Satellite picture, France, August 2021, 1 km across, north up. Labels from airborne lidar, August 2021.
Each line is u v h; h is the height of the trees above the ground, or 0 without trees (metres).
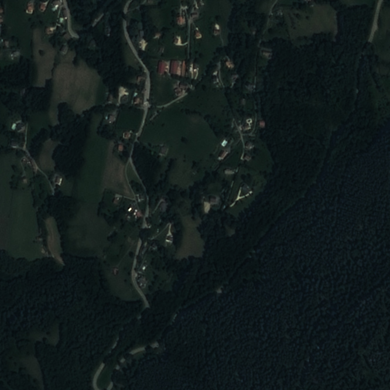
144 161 24
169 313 10
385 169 24
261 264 12
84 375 12
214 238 22
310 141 24
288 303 30
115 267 0
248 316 29
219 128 22
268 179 8
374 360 30
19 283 28
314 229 29
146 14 20
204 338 28
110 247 0
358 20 16
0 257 16
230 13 0
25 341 15
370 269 25
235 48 18
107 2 34
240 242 31
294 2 0
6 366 21
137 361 19
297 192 25
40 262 17
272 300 30
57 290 35
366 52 27
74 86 0
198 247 0
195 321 30
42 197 15
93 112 9
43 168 0
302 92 24
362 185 25
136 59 0
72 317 27
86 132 20
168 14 0
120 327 11
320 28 0
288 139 23
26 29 0
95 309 16
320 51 28
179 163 0
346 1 0
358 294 26
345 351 32
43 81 0
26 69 11
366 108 17
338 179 29
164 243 0
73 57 0
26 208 0
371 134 12
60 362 16
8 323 12
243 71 26
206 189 19
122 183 0
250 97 13
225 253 22
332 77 26
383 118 7
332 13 0
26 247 0
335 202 28
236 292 17
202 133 0
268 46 17
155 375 28
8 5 0
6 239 0
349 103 24
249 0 7
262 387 27
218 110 0
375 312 22
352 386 23
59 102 0
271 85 24
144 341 23
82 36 30
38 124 0
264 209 23
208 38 0
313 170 17
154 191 16
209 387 24
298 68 31
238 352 20
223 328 28
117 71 23
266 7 0
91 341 15
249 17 25
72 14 12
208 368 22
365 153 22
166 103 0
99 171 0
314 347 25
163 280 6
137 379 20
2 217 0
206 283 26
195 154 0
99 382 0
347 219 29
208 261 14
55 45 9
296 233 28
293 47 27
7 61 0
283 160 21
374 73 13
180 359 25
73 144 25
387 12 0
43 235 9
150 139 0
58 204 22
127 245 0
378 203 28
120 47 20
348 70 30
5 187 0
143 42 0
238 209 0
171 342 22
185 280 24
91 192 0
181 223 11
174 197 18
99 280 0
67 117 19
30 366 0
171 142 0
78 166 19
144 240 14
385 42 0
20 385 26
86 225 0
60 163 17
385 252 26
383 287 15
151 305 8
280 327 21
